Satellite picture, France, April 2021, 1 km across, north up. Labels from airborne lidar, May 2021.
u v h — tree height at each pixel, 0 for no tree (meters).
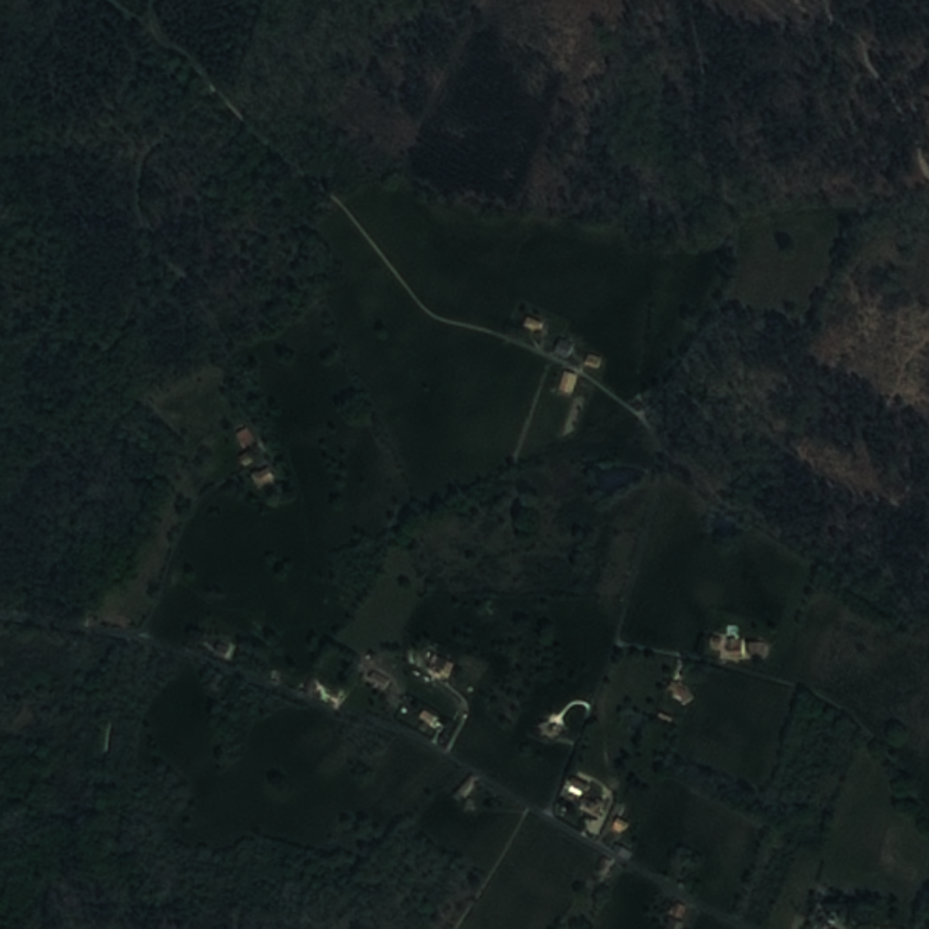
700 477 12
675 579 0
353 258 0
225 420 0
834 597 6
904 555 9
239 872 6
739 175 21
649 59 18
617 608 0
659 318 0
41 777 10
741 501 20
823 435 20
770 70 7
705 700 0
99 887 14
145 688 13
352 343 0
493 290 0
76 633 7
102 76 18
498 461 0
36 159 15
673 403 18
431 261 0
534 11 0
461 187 8
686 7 21
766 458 20
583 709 0
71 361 21
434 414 0
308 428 0
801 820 13
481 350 0
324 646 10
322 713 0
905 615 15
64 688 6
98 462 13
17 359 17
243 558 0
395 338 0
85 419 17
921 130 20
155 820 13
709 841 0
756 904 7
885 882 0
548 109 8
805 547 13
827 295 13
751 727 0
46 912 16
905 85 9
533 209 16
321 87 16
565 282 0
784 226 0
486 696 7
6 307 20
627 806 0
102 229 19
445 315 0
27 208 11
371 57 8
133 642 8
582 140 12
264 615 0
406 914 13
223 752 12
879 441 19
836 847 0
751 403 13
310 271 17
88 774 8
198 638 8
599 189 8
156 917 15
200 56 15
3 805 11
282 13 17
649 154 21
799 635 0
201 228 22
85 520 12
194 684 0
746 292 0
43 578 25
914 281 0
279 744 0
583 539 12
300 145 14
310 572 0
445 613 0
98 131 12
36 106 19
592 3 0
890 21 20
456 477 0
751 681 0
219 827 0
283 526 0
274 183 13
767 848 10
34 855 19
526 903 0
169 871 7
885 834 0
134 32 16
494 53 8
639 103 23
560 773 0
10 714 6
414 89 21
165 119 15
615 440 0
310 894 17
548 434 0
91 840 19
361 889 13
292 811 0
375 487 0
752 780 0
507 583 0
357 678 17
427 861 13
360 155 0
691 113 16
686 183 21
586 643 0
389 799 0
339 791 0
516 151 6
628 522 0
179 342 21
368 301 0
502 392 0
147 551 12
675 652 0
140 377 18
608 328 0
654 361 0
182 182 18
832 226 0
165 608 0
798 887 0
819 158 9
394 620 0
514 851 0
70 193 12
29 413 17
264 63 14
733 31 21
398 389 0
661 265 0
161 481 19
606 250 0
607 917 0
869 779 0
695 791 14
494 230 0
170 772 14
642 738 13
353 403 15
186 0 18
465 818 0
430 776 0
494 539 0
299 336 0
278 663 0
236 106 13
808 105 7
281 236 6
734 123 10
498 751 0
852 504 14
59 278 21
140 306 13
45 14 8
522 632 12
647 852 0
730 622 0
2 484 13
